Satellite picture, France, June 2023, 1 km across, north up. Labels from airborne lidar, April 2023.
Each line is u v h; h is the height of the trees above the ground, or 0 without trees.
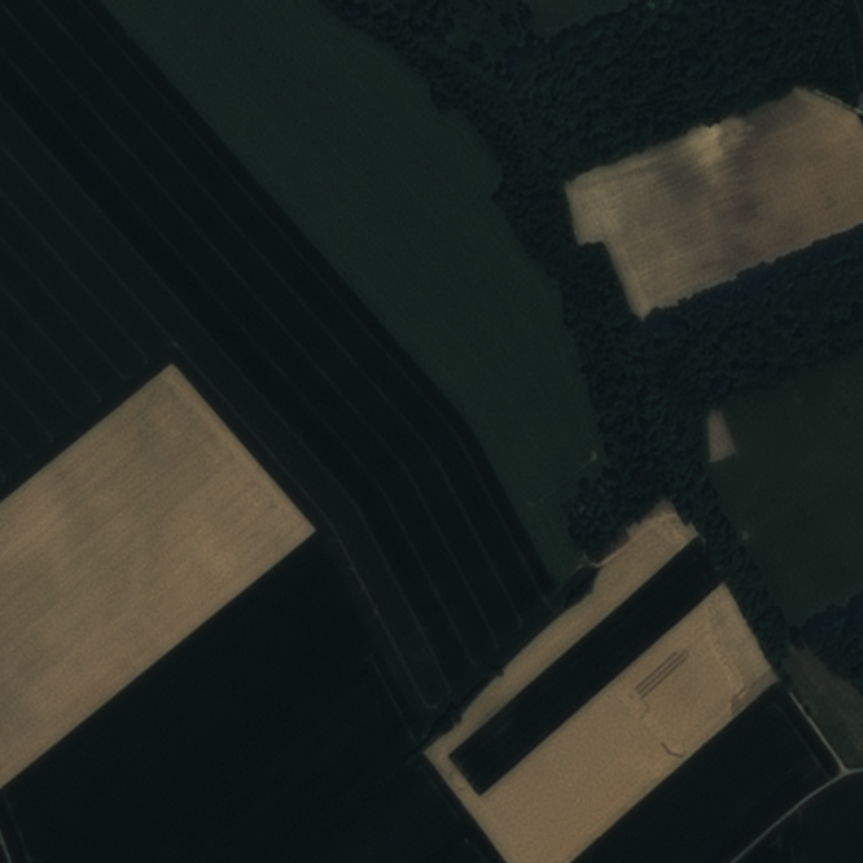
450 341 0
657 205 0
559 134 25
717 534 22
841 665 19
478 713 0
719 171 0
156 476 0
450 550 0
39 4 0
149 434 0
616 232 0
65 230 0
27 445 0
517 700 0
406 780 0
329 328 0
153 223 0
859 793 0
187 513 0
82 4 0
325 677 0
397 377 0
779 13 25
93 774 0
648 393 22
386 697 0
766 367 23
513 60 24
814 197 0
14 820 0
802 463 0
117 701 0
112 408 0
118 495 0
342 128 0
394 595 0
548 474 0
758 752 0
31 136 0
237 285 0
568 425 0
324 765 0
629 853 0
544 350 0
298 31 0
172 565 0
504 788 0
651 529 0
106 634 0
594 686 0
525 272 0
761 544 0
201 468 0
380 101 0
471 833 0
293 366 0
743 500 0
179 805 0
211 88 0
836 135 0
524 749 0
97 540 0
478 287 0
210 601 0
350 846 0
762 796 0
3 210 0
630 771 0
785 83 19
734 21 25
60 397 0
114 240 0
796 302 28
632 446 19
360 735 0
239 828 0
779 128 0
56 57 0
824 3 24
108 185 0
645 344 25
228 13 0
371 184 0
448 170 0
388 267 0
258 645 0
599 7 0
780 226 0
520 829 0
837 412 0
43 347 0
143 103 0
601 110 21
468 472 0
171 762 0
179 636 0
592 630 0
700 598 0
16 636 0
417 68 8
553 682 0
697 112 13
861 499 0
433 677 0
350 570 0
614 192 0
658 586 0
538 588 0
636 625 0
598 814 0
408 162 0
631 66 13
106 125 0
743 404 0
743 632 0
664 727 0
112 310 0
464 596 0
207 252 0
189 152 0
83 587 0
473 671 0
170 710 0
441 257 0
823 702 0
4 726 0
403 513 0
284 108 0
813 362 24
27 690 0
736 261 0
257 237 0
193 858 0
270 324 0
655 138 14
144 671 0
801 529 0
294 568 0
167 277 0
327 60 0
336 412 0
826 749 0
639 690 0
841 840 0
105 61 0
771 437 0
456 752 0
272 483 0
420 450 0
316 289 0
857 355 0
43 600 0
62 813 0
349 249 0
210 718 0
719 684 0
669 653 0
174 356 0
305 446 0
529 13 20
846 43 14
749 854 0
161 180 0
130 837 0
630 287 0
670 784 0
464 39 0
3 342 0
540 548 0
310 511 0
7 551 0
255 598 0
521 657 0
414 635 0
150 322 0
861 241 23
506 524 0
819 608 0
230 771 0
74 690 0
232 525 0
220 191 0
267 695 0
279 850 0
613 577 0
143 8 0
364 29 10
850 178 0
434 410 0
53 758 0
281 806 0
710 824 0
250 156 0
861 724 0
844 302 26
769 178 0
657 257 0
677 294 0
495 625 0
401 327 0
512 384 0
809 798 0
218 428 0
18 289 0
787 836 0
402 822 0
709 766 0
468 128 0
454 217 0
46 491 0
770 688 0
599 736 0
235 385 0
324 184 0
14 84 0
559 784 0
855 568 0
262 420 0
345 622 0
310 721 0
